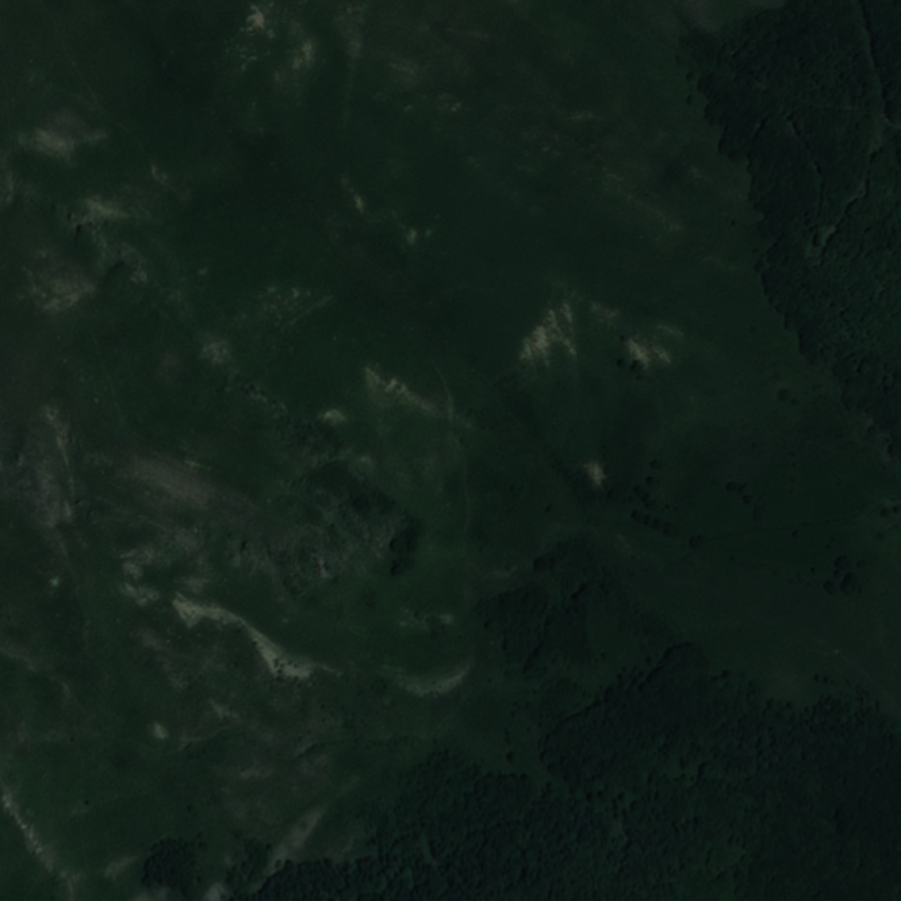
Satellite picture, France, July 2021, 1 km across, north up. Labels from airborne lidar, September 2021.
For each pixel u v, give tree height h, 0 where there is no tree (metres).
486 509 0
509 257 0
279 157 0
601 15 0
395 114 0
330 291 0
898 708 0
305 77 0
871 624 0
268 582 0
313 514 6
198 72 0
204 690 0
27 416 0
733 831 12
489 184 0
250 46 0
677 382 0
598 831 17
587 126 0
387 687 8
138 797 0
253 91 0
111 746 0
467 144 0
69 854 0
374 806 5
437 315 0
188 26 0
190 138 0
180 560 0
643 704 21
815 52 20
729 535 0
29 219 0
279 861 9
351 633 0
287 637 0
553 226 0
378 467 0
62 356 0
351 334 0
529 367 0
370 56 0
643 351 0
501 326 0
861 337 18
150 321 0
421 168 0
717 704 22
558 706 6
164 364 0
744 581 0
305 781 0
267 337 0
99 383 0
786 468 0
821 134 25
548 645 8
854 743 21
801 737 24
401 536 8
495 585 0
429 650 0
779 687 0
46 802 0
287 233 0
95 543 0
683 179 0
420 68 0
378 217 0
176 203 0
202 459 0
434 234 0
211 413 0
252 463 0
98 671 0
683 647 20
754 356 0
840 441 0
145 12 0
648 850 21
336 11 0
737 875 13
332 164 0
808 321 21
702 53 7
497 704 0
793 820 21
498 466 0
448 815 19
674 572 0
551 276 0
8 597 0
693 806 14
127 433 0
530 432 0
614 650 0
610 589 18
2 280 0
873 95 14
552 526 0
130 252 0
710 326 0
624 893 10
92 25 0
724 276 0
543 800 18
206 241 0
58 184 0
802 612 0
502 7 0
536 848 20
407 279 0
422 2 0
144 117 0
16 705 0
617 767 19
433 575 0
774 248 10
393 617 0
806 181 21
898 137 8
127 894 0
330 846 0
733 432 0
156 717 0
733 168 0
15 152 0
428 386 0
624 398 0
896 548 0
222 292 0
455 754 6
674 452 0
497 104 0
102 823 0
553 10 0
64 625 0
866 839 19
